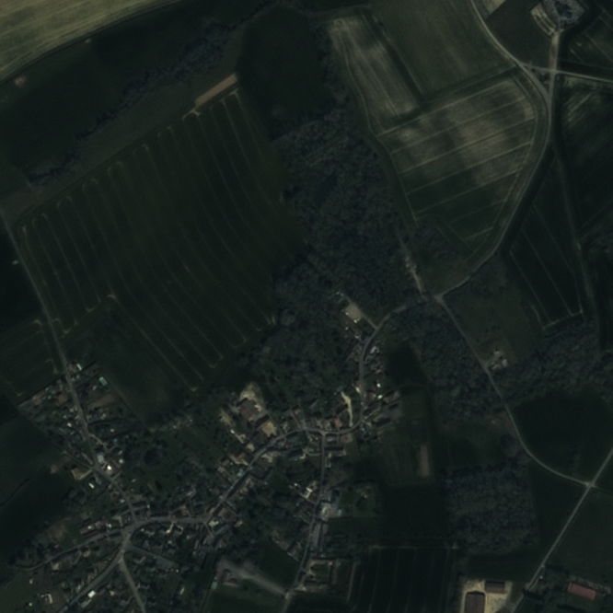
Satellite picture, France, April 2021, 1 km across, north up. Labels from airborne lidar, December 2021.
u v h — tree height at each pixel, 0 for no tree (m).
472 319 0
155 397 0
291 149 13
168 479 7
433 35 0
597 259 0
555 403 0
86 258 0
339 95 21
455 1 0
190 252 0
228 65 0
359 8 0
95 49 0
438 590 0
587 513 0
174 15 0
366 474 0
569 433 0
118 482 0
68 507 9
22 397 0
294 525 12
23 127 0
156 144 0
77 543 0
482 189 0
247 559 16
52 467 0
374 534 0
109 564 0
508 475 12
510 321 0
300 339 31
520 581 0
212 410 0
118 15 0
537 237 0
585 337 17
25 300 0
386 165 0
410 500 0
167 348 0
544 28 0
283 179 0
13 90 0
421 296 10
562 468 0
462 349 32
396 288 19
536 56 0
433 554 0
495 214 0
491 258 0
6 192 0
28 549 15
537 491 0
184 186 0
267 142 0
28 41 0
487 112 0
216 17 0
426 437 0
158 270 0
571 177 0
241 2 0
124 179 0
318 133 24
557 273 0
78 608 12
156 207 0
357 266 22
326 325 22
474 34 0
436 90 0
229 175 0
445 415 9
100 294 0
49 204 0
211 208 0
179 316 0
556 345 18
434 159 0
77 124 0
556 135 0
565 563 0
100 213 0
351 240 27
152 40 0
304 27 0
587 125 0
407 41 0
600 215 0
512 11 0
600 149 0
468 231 0
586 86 0
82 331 0
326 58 22
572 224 0
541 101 0
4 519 0
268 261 0
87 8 0
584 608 0
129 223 0
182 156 0
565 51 0
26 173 0
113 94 0
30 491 0
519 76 0
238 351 0
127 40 0
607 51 0
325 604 0
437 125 0
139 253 0
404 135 0
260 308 0
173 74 10
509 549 21
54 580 7
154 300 0
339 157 21
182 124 0
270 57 0
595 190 0
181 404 0
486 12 0
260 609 0
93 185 0
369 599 0
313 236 29
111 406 0
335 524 0
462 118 0
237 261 0
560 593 15
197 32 0
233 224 0
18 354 0
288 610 0
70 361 0
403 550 0
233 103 0
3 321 0
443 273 0
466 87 0
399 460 0
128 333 0
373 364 6
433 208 0
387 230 6
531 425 0
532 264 0
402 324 10
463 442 0
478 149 0
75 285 0
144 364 0
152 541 11
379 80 0
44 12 0
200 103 0
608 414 0
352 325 0
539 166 0
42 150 0
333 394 9
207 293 0
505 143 0
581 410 0
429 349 20
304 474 0
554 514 0
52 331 0
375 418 0
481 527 16
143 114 0
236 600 0
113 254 0
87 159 0
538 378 7
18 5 0
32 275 0
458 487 24
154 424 0
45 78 0
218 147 0
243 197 0
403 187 0
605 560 0
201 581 0
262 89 0
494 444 0
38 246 0
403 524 0
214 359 0
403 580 0
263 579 0
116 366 0
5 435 0
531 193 0
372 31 0
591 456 0
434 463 0
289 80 0
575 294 0
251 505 13
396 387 0
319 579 8
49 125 0
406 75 0
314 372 18
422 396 0
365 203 35
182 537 7
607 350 0
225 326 0
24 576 0
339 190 39
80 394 9
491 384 21
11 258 0
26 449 0
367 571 0
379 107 0
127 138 0
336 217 39
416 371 0
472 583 0
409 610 0
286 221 0
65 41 0
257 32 0
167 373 0
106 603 6
